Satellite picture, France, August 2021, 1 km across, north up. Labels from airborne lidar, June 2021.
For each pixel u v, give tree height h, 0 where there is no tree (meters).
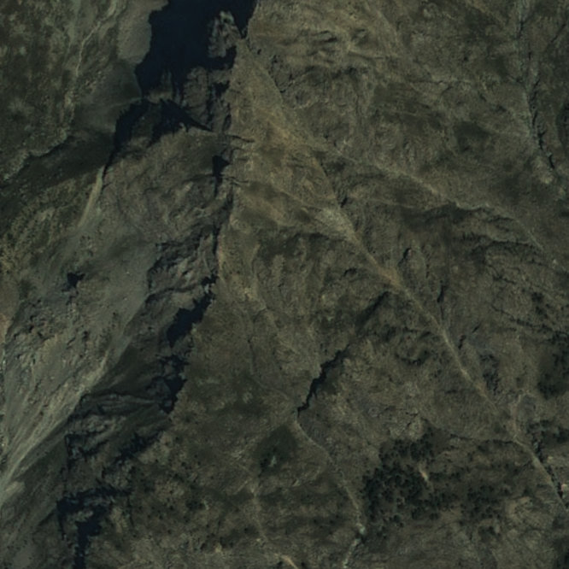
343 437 0
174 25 0
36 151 0
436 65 0
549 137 0
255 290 0
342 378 0
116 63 0
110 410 0
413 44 0
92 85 0
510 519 0
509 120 0
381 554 0
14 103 0
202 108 0
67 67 0
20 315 0
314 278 0
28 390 0
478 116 0
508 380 0
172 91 0
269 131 0
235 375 0
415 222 0
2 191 0
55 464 0
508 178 0
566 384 0
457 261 0
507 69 0
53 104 0
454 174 0
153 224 0
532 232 0
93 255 0
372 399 0
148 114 0
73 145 0
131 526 0
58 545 0
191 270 0
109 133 0
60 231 0
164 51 0
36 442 0
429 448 14
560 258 0
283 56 0
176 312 0
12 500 0
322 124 0
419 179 0
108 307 0
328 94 0
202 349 0
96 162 0
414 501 21
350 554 0
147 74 0
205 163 0
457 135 0
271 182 0
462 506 8
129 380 0
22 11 0
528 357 0
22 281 0
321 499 0
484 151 0
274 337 0
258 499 0
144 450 12
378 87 0
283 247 0
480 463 0
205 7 0
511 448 0
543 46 0
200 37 0
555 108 0
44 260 0
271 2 0
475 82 0
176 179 0
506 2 0
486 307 0
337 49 0
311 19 0
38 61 0
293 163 0
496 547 0
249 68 0
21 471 0
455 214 0
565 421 0
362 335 0
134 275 0
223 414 0
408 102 0
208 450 0
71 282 6
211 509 0
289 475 0
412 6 0
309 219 0
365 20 0
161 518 7
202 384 0
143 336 0
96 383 0
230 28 0
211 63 0
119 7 0
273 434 0
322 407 0
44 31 0
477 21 0
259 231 0
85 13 0
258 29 0
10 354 0
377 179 0
